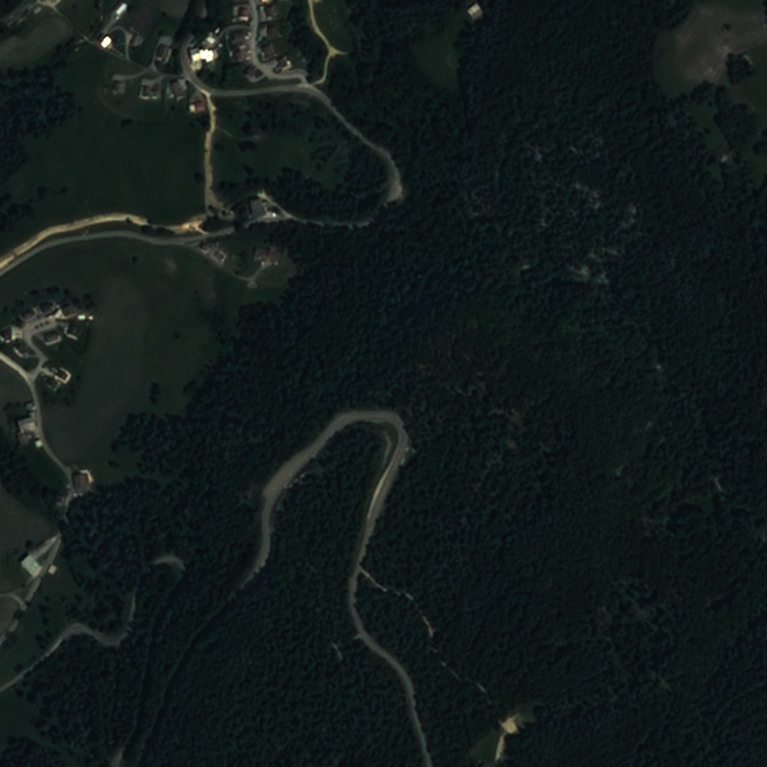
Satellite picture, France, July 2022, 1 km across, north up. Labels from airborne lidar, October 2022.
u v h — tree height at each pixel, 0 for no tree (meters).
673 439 30
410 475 11
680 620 22
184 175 0
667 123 28
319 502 16
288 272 0
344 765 16
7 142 21
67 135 0
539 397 25
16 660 0
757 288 37
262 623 14
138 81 0
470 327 16
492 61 28
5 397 0
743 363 29
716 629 25
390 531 12
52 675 11
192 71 0
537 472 24
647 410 7
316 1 0
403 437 0
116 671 30
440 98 25
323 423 13
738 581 27
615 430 22
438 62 0
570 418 26
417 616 23
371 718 14
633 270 16
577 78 15
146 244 0
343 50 0
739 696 25
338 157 0
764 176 0
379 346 33
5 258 0
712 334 29
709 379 22
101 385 0
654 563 33
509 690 18
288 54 0
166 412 0
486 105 30
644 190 15
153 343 0
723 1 0
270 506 0
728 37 0
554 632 25
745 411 31
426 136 41
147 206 0
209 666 22
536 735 29
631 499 20
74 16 0
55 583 0
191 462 16
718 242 25
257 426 19
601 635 19
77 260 0
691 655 23
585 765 24
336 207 24
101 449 0
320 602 21
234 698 23
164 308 0
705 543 29
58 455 0
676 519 10
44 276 0
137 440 15
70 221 0
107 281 0
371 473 17
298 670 21
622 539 26
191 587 24
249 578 0
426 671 20
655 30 20
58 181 0
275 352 34
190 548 23
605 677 15
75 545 21
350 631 9
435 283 29
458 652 19
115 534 23
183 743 37
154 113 0
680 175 25
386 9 27
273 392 33
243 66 7
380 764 20
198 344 0
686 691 22
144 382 0
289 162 0
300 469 0
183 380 0
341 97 8
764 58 0
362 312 29
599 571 22
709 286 25
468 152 27
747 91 0
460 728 20
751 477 30
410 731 10
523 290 11
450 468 26
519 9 33
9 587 0
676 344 24
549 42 23
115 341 0
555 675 24
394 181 0
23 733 0
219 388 33
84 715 22
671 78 0
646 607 29
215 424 21
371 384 25
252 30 0
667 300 14
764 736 28
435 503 14
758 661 25
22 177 0
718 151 0
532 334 17
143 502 31
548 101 16
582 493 22
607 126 17
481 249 24
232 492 24
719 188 23
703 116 0
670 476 30
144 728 25
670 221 23
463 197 16
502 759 0
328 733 17
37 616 0
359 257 21
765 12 0
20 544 0
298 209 8
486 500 22
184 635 27
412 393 19
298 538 13
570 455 30
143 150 0
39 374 0
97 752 22
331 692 16
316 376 32
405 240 26
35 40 0
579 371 13
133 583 18
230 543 28
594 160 7
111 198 0
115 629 15
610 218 14
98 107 0
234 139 0
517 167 21
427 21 26
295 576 7
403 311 16
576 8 25
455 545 24
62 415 0
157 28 0
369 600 21
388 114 23
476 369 21
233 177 0
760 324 30
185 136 0
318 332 27
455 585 23
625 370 27
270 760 13
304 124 6
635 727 18
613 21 27
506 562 27
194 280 0
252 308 10
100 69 0
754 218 24
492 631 17
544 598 20
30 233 0
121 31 0
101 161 0
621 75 20
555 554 24
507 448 9
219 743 18
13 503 0
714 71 0
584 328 26
